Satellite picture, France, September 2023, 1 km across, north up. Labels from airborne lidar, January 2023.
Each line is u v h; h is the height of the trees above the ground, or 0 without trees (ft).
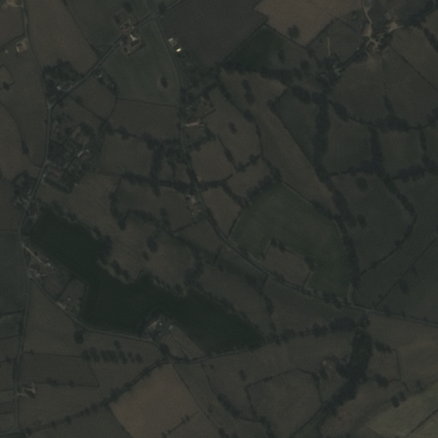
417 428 0
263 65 0
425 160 51
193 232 0
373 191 0
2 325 0
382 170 60
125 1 0
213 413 0
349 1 0
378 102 0
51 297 0
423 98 0
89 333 0
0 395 0
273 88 0
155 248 56
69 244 0
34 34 0
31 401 0
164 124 0
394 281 0
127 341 0
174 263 0
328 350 0
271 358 0
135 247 0
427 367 0
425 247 0
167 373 0
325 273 0
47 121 19
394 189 73
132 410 0
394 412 0
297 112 0
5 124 0
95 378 0
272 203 0
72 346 0
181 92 32
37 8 0
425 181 0
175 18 0
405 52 0
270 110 44
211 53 0
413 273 49
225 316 0
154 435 0
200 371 0
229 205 0
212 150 0
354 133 0
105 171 0
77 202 0
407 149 0
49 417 0
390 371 0
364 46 23
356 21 0
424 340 0
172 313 0
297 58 0
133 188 0
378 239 0
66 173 40
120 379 0
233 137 0
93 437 0
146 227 0
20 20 0
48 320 0
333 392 0
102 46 0
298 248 0
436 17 0
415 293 0
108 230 0
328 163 0
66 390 0
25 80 0
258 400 0
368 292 0
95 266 0
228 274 0
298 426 0
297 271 0
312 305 0
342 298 0
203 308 0
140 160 0
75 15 0
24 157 0
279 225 0
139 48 0
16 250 0
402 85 0
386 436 0
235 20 0
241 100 0
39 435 0
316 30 0
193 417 0
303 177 0
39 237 0
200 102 0
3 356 0
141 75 0
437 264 0
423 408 0
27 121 0
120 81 0
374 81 0
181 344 0
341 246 0
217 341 0
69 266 0
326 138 60
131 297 0
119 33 0
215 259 30
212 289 0
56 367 0
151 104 0
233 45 0
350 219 73
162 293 0
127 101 0
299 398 0
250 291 0
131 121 0
